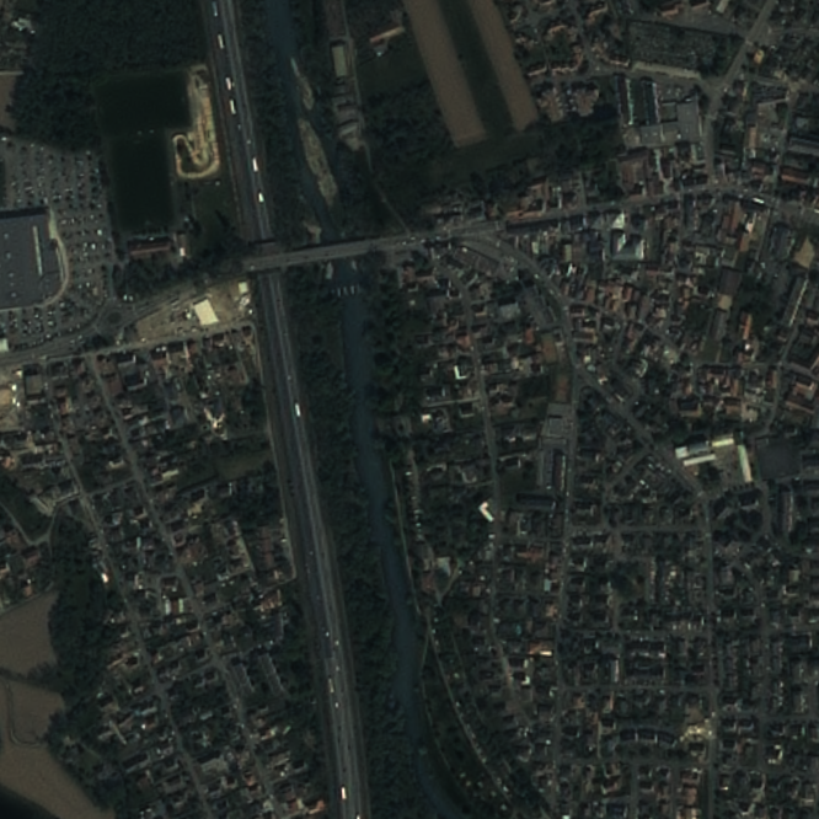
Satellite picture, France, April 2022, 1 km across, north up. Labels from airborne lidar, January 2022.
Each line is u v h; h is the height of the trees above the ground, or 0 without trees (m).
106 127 0
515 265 0
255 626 10
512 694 0
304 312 17
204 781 0
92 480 0
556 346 0
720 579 0
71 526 12
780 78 0
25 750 0
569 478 0
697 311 0
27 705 0
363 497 14
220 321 0
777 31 0
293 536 0
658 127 0
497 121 0
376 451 0
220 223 0
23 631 0
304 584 0
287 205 17
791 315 0
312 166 0
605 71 0
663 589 0
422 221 15
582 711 0
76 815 0
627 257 0
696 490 0
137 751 0
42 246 0
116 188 0
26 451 0
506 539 0
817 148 0
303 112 0
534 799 12
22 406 0
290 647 15
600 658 10
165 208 0
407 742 13
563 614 0
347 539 10
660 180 0
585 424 11
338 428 19
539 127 12
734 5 6
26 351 0
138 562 10
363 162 0
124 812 16
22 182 0
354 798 0
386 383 0
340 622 0
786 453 0
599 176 14
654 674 0
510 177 0
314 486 0
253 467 0
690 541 0
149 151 0
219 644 0
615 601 0
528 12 0
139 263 7
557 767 0
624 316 0
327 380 24
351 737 0
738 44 15
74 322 0
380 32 0
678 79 0
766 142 0
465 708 17
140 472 0
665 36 0
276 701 0
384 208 0
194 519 0
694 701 0
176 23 17
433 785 0
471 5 0
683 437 20
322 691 0
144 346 0
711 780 0
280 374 0
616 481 0
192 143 0
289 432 0
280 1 0
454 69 0
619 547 0
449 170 0
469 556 11
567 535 0
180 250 0
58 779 0
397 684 0
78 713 15
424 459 15
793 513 0
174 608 0
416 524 11
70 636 18
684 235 0
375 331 13
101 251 0
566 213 0
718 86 0
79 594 0
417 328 0
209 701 8
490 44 0
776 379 0
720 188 0
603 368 0
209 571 0
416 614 0
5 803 0
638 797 0
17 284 0
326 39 16
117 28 20
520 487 0
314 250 0
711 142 0
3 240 0
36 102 21
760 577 0
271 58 15
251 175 0
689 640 0
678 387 0
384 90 0
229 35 0
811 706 0
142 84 0
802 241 0
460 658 13
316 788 0
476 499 9
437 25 0
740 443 0
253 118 0
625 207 0
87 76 25
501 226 0
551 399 0
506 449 8
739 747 0
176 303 0
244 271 21
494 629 0
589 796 0
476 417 0
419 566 12
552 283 0
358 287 0
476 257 0
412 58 0
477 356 0
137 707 6
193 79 0
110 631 9
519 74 0
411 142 12
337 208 0
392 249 0
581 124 22
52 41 23
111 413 0
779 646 0
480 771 0
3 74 0
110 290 0
